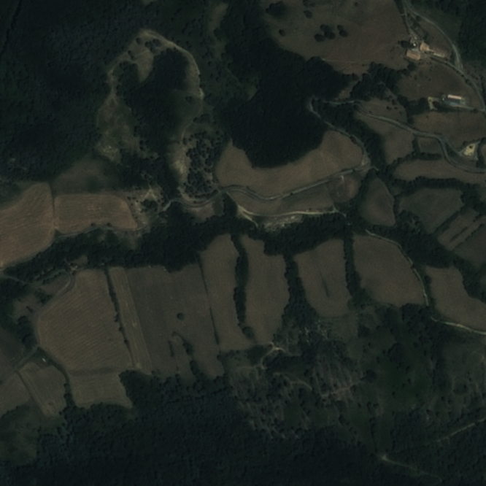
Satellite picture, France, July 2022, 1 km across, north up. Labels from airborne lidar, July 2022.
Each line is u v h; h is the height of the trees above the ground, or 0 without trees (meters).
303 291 11
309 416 9
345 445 12
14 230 0
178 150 0
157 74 12
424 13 0
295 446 7
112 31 6
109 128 0
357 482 22
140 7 7
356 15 0
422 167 0
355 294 15
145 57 0
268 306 0
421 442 13
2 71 7
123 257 7
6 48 12
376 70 16
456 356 0
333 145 0
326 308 0
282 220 0
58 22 17
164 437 18
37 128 14
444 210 0
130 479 21
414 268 11
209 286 0
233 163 0
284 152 19
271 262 0
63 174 0
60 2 23
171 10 0
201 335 0
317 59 10
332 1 0
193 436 18
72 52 11
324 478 21
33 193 0
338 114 20
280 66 27
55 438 15
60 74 20
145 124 22
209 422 18
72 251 21
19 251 0
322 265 0
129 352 0
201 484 18
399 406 0
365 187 14
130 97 20
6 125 7
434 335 19
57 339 0
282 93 22
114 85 0
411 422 14
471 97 0
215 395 16
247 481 12
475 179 0
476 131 0
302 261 0
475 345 0
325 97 21
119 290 0
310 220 12
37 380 0
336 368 8
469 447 9
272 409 10
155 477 16
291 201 0
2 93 9
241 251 6
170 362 0
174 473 11
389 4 0
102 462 24
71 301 0
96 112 11
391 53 0
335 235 14
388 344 0
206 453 16
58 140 7
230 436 16
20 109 17
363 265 0
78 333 0
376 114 0
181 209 19
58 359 0
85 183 0
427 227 0
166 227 9
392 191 11
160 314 0
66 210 0
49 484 25
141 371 0
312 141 15
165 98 9
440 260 20
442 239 0
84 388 0
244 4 22
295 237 17
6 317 6
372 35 0
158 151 24
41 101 8
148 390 7
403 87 0
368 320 0
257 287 0
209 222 17
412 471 0
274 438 12
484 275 0
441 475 7
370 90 11
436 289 0
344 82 15
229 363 0
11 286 24
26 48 20
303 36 0
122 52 9
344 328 0
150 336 0
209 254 0
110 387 0
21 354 0
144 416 8
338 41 0
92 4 17
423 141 0
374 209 0
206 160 11
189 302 0
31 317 0
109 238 6
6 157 16
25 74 8
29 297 0
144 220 0
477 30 13
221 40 9
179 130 0
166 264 13
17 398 0
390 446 0
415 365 0
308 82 24
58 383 0
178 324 0
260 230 21
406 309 16
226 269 0
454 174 0
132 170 12
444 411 0
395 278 0
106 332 0
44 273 10
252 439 15
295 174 0
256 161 14
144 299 0
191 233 22
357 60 0
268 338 0
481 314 0
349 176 0
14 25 16
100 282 0
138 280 0
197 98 0
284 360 12
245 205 0
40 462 11
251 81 8
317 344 8
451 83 0
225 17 14
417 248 16
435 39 0
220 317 0
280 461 11
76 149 6
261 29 20
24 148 10
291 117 22
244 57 21
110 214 0
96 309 0
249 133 19
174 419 17
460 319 0
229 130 10
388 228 6
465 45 9
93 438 9
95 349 0
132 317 0
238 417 21
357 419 0
